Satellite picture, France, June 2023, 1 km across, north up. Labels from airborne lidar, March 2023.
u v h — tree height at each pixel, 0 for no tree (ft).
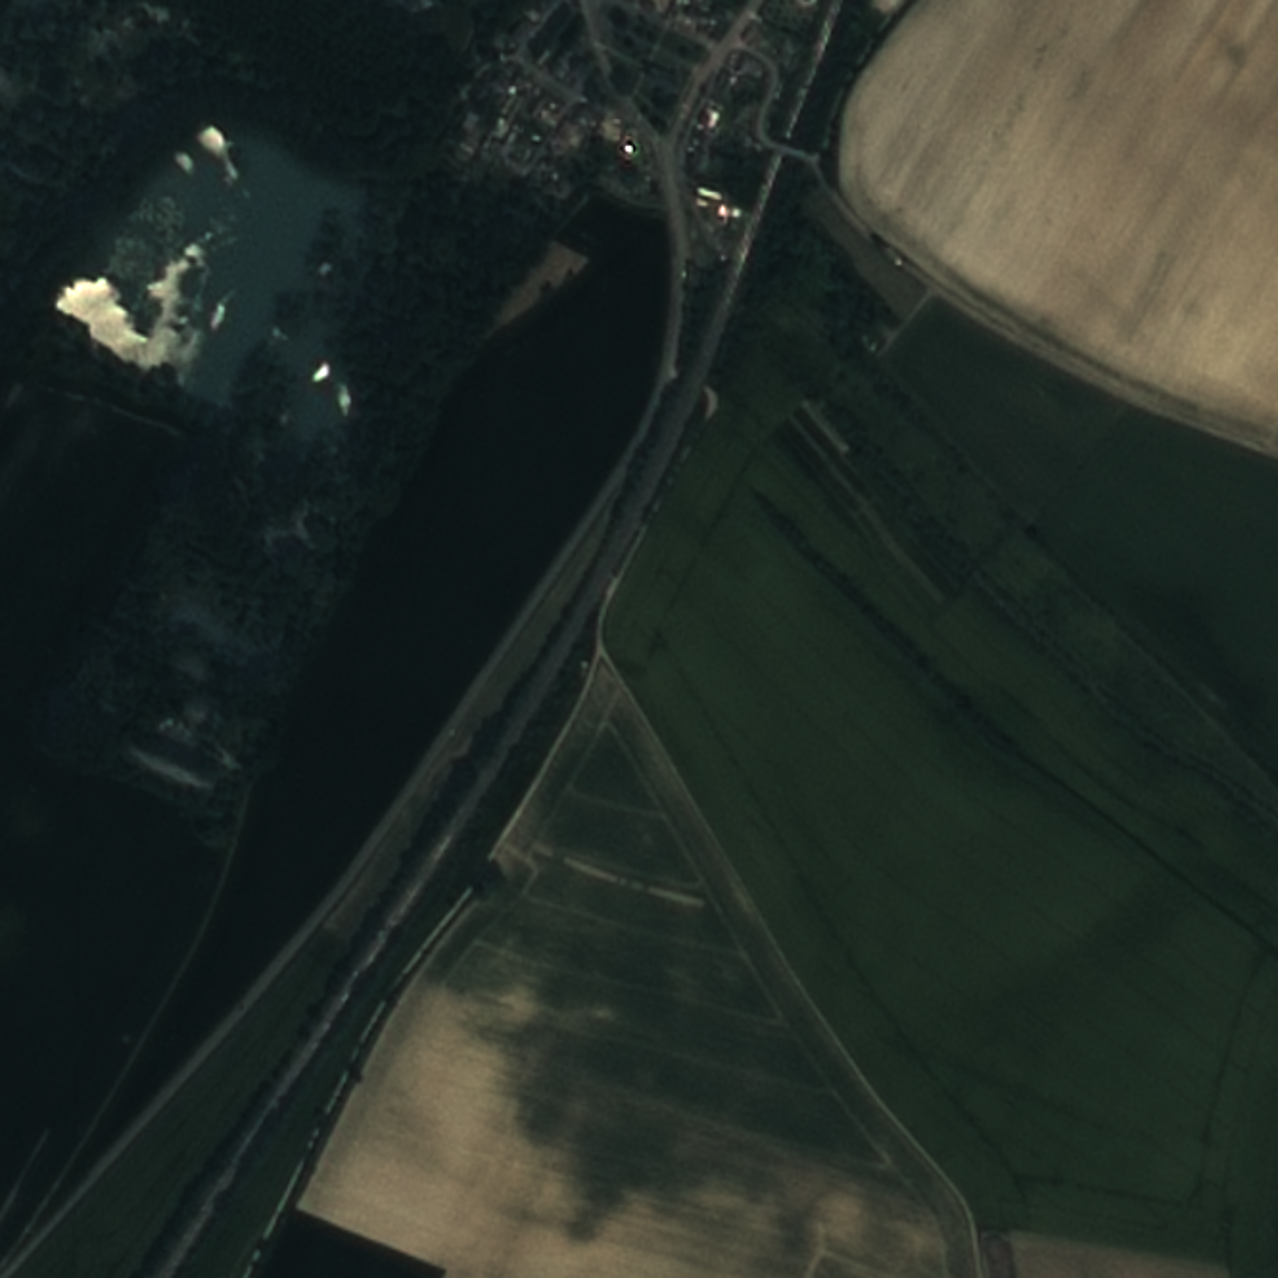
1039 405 0
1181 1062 0
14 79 46
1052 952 0
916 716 0
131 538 0
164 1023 0
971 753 0
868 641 0
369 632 0
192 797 36
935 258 0
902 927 0
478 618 0
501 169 0
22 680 0
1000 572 0
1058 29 0
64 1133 0
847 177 0
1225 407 0
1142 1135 0
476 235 66
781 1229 0
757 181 24
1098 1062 0
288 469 84
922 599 0
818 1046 0
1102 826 0
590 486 0
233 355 0
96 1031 0
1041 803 0
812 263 60
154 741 68
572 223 0
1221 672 0
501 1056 0
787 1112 0
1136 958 0
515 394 0
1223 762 0
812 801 0
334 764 0
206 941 0
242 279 0
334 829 0
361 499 41
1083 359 0
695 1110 0
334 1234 0
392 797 0
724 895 0
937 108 0
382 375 41
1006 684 0
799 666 0
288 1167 0
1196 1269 0
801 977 0
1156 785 0
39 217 78
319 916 0
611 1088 0
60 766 0
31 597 0
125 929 0
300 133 111
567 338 0
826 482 0
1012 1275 0
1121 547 0
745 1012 0
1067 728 0
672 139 0
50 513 0
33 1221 0
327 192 0
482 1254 0
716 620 0
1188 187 0
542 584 0
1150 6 0
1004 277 0
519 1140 0
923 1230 0
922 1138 0
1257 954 0
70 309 0
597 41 0
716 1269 0
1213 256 0
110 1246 0
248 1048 0
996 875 0
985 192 0
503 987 0
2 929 0
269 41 81
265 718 39
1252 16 0
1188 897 0
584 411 0
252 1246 0
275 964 0
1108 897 0
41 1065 0
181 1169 0
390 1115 0
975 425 0
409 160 66
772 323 0
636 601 0
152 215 0
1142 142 0
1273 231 0
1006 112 0
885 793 0
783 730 0
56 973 0
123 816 0
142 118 105
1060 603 0
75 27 61
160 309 0
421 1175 0
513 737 0
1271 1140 0
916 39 0
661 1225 0
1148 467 0
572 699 0
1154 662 0
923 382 0
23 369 0
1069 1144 0
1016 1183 0
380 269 78
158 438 0
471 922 0
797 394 0
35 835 0
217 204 0
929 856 0
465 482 0
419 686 0
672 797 0
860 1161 0
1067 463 0
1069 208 0
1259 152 0
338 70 84
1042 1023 0
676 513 0
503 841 0
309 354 0
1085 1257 0
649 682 0
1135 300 0
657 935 0
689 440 33
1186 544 0
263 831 0
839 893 0
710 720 0
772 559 0
